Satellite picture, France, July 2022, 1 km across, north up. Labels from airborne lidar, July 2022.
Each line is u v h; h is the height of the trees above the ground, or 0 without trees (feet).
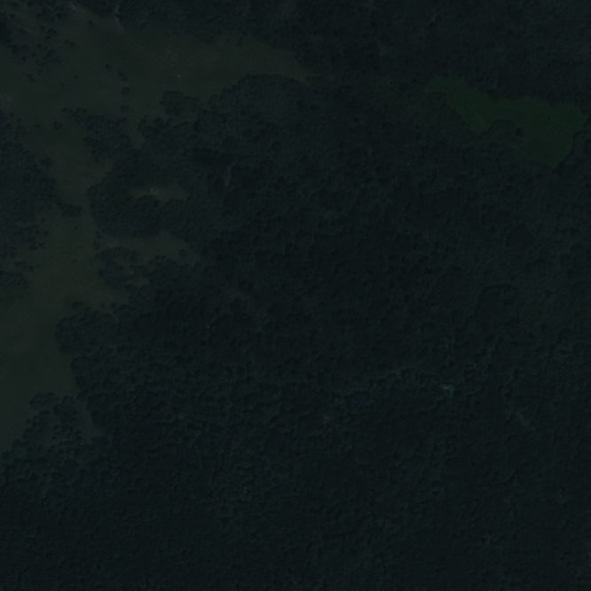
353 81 32
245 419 24
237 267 64
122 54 0
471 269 32
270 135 34
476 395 77
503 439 99
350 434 108
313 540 31
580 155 34
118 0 22
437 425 109
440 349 80
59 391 0
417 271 111
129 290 35
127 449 105
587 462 103
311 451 98
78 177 0
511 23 31
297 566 101
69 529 108
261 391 89
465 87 0
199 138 23
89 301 0
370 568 88
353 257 107
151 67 0
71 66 0
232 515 105
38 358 0
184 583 95
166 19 28
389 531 100
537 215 34
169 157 27
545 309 35
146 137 23
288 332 30
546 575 103
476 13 38
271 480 101
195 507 108
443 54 36
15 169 17
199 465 110
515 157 42
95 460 31
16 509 108
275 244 31
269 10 36
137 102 0
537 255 30
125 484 97
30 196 19
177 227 28
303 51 37
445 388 79
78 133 0
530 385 110
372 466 84
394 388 95
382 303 96
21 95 0
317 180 36
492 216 86
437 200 114
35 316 0
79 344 29
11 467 82
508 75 31
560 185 35
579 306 34
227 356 33
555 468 105
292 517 99
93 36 0
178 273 22
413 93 33
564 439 99
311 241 93
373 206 29
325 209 28
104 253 19
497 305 104
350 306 40
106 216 26
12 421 0
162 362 30
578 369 91
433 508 92
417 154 32
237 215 30
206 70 0
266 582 77
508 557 107
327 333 31
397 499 112
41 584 103
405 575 93
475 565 88
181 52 0
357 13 27
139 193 0
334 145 34
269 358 32
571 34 36
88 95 0
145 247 0
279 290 33
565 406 102
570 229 36
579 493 106
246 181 81
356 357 33
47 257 0
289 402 107
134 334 52
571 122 0
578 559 101
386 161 45
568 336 110
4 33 63
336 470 98
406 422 87
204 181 28
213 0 32
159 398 81
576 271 74
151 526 112
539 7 30
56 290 0
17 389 0
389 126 73
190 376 74
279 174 29
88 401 29
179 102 29
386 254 32
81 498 105
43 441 0
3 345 0
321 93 27
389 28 36
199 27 28
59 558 94
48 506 104
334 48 66
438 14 27
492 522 100
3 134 20
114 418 93
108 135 27
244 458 97
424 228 51
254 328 35
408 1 31
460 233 35
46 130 0
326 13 60
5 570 96
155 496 112
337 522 99
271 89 33
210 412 31
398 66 36
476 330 91
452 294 29
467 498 101
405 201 90
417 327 34
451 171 39
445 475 33
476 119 0
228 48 0
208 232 34
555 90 33
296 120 25
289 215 35
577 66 57
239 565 103
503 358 108
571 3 23
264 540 101
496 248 31
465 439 91
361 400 125
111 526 105
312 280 81
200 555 98
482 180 39
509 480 97
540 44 24
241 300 60
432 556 101
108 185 31
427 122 33
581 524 99
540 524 111
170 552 104
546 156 0
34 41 0
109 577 109
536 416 106
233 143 90
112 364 36
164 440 96
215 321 39
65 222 0
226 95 27
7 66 0
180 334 36
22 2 19
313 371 43
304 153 34
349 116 30
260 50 0
